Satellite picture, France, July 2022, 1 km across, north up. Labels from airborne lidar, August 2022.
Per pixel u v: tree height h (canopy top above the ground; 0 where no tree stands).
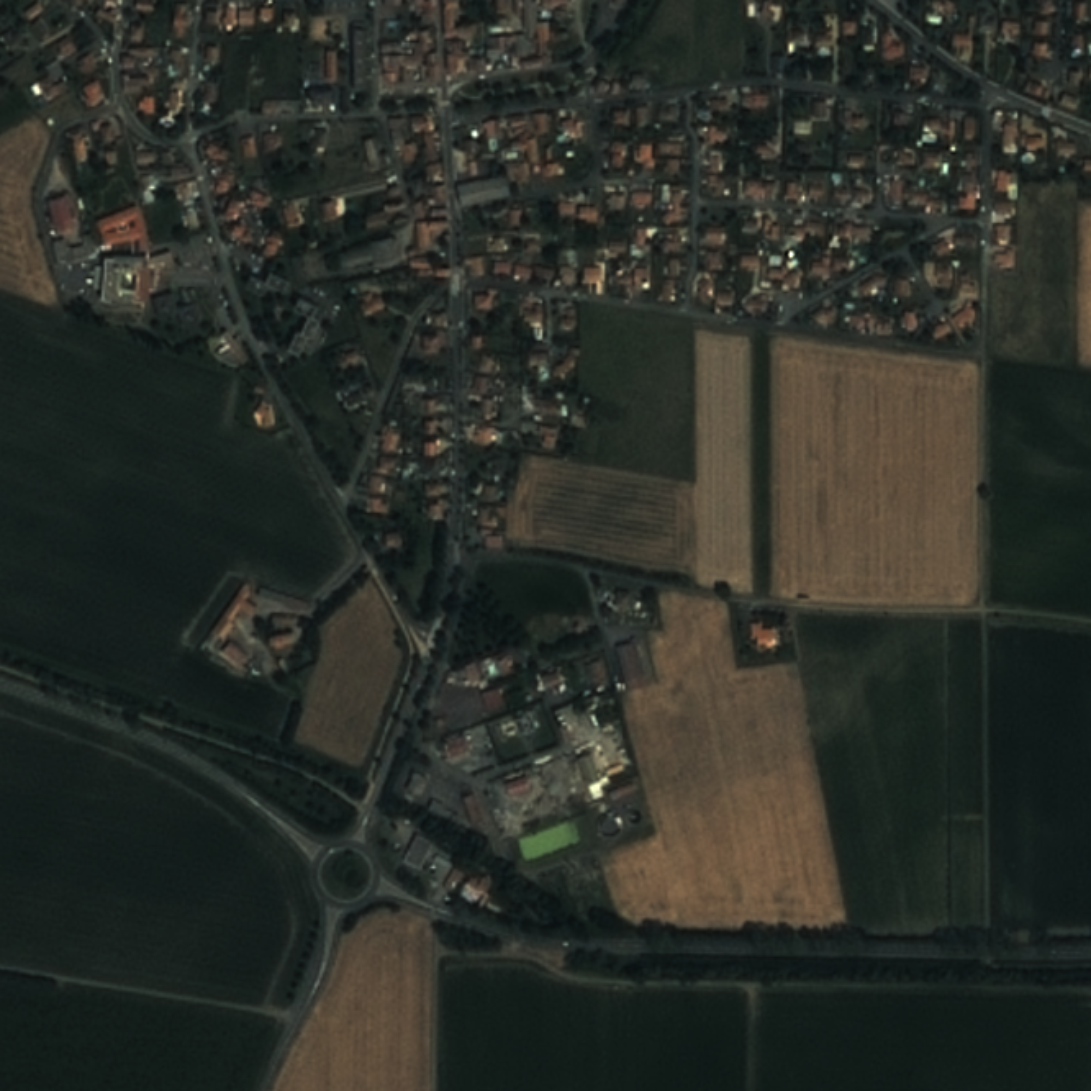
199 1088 0
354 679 0
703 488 0
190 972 0
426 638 0
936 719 0
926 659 0
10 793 0
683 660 0
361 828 0
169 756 0
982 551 0
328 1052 0
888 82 11
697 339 0
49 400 0
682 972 15
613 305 0
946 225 0
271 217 8
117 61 0
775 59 0
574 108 0
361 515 11
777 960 7
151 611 0
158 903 0
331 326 10
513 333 11
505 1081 0
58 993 0
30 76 0
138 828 0
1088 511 0
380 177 0
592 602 0
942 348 0
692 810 0
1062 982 6
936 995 0
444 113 0
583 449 0
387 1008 0
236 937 0
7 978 8
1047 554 0
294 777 7
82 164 0
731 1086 0
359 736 0
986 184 0
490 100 11
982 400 0
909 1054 0
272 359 6
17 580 0
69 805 0
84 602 0
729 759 0
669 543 0
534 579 0
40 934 0
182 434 0
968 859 0
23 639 0
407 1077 0
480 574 0
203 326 8
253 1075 0
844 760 0
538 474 0
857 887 0
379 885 0
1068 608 0
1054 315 0
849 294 8
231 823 0
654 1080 0
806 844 0
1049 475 0
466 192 0
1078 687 0
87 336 0
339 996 0
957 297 0
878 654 0
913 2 14
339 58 6
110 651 0
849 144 0
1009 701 0
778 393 0
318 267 0
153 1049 0
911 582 0
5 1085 0
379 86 0
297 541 0
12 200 0
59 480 0
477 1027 0
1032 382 0
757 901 0
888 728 0
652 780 0
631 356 0
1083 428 0
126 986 0
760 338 0
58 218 0
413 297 7
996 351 0
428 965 0
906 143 6
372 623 0
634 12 13
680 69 0
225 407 0
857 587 0
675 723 0
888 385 0
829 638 0
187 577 0
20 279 0
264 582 0
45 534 0
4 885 0
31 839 0
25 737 0
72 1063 0
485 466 8
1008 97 0
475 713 0
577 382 7
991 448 0
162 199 11
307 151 10
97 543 0
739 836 0
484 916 19
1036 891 0
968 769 0
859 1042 0
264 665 0
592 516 0
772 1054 0
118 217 0
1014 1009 0
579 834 0
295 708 11
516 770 5
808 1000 0
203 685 0
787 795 0
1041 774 0
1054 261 0
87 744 0
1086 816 0
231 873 0
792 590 0
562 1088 0
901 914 0
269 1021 0
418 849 0
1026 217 0
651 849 0
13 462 0
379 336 0
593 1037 0
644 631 0
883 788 0
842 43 7
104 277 0
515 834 0
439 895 0
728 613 0
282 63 0
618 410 0
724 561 0
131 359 0
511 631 9
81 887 0
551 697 0
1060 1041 0
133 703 10
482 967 0
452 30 0
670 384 0
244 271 7
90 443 0
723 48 0
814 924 0
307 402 0
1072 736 0
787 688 0
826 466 0
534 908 8
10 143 0
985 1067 0
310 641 13
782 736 0
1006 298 0
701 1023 0
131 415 0
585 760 0
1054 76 0
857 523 0
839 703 0
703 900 0
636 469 0
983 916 0
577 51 6
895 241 0
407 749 8
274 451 0
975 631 0
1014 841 0
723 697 0
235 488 0
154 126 6
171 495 0
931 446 0
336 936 0
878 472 0
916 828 0
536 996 0
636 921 0
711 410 0
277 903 0
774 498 0
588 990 0
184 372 0
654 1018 0
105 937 0
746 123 11
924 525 0
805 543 0
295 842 0
